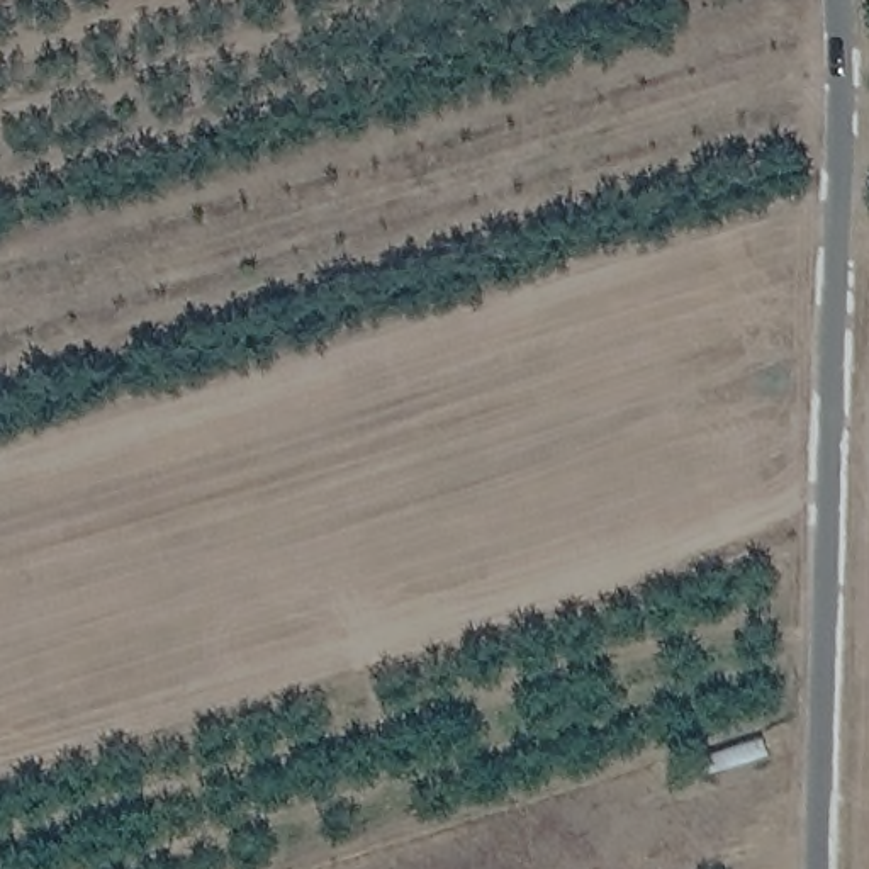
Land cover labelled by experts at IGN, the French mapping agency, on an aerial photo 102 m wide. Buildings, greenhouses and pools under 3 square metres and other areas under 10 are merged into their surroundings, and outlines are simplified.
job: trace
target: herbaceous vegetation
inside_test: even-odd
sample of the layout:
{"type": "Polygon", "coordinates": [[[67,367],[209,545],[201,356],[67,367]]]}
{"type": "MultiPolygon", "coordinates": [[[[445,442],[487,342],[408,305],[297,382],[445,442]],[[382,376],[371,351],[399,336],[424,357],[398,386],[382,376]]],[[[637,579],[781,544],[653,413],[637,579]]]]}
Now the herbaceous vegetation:
{"type": "Polygon", "coordinates": [[[852,41],[845,48],[855,48],[869,64],[869,0],[855,0],[852,41]]]}
{"type": "Polygon", "coordinates": [[[51,784],[51,774],[44,767],[37,760],[24,760],[14,774],[0,777],[0,794],[20,791],[27,777],[37,784],[51,784]]]}
{"type": "Polygon", "coordinates": [[[207,730],[231,726],[244,716],[261,716],[261,703],[200,713],[197,723],[207,730]]]}
{"type": "Polygon", "coordinates": [[[628,757],[611,757],[594,774],[550,777],[533,791],[506,791],[499,801],[462,805],[451,815],[431,821],[414,815],[411,784],[404,777],[377,774],[370,784],[339,781],[316,801],[292,798],[282,808],[244,801],[251,818],[238,821],[231,832],[217,821],[200,821],[177,838],[149,838],[149,855],[132,859],[129,852],[126,862],[115,862],[109,869],[180,869],[177,855],[190,852],[193,859],[204,859],[204,849],[227,845],[227,835],[265,838],[275,852],[261,869],[805,869],[818,526],[808,523],[805,513],[794,513],[788,523],[757,533],[750,543],[726,543],[720,553],[709,553],[679,574],[652,574],[642,584],[611,594],[608,604],[618,611],[642,604],[655,591],[682,591],[689,584],[703,584],[706,574],[723,570],[723,563],[740,560],[743,570],[764,570],[774,563],[777,587],[771,594],[771,604],[760,608],[760,618],[774,618],[781,628],[777,655],[737,659],[733,631],[747,625],[747,614],[737,608],[726,611],[720,621],[696,625],[696,642],[709,652],[709,662],[720,672],[696,686],[703,696],[743,692],[757,682],[777,689],[784,686],[777,713],[737,720],[709,733],[709,743],[720,743],[723,750],[760,743],[764,760],[733,771],[709,767],[692,784],[669,788],[669,750],[655,743],[628,757]],[[319,815],[336,801],[356,805],[356,825],[346,842],[329,842],[322,835],[319,815]]]}
{"type": "Polygon", "coordinates": [[[336,14],[373,20],[387,0],[316,0],[312,14],[316,24],[326,31],[333,27],[336,14]]]}
{"type": "Polygon", "coordinates": [[[207,64],[217,61],[221,48],[227,48],[244,58],[244,78],[255,78],[261,51],[268,51],[275,41],[299,41],[302,34],[299,7],[292,0],[289,0],[278,10],[275,24],[261,31],[241,20],[224,27],[221,34],[210,34],[207,41],[166,41],[160,51],[143,48],[136,54],[136,64],[129,64],[129,71],[112,81],[105,81],[95,71],[95,64],[78,61],[71,78],[48,75],[41,92],[7,88],[0,95],[0,200],[27,197],[37,187],[71,183],[75,170],[81,166],[122,163],[129,156],[139,156],[143,149],[177,153],[180,136],[190,132],[197,139],[217,139],[214,126],[224,122],[224,115],[214,112],[214,105],[207,102],[207,64]],[[190,98],[180,115],[156,119],[149,109],[149,88],[139,88],[139,78],[149,68],[166,64],[170,58],[190,64],[190,98]],[[58,88],[81,85],[95,88],[102,95],[102,105],[132,98],[136,115],[126,122],[132,139],[119,143],[119,149],[112,153],[75,156],[68,163],[61,146],[48,146],[41,153],[10,149],[3,136],[3,115],[44,109],[51,105],[58,88]]]}
{"type": "Polygon", "coordinates": [[[869,85],[862,81],[852,88],[852,204],[845,278],[855,282],[855,268],[869,265],[869,85]]]}
{"type": "Polygon", "coordinates": [[[17,390],[37,370],[48,373],[64,367],[92,367],[122,373],[132,353],[146,343],[177,343],[187,329],[231,322],[278,299],[316,295],[346,275],[384,275],[407,261],[441,258],[455,248],[479,251],[482,238],[489,234],[536,231],[550,221],[601,210],[628,217],[631,200],[638,193],[659,183],[686,187],[716,160],[764,160],[774,149],[808,149],[811,160],[808,190],[801,197],[777,197],[760,214],[737,214],[713,227],[669,231],[662,244],[635,241],[621,248],[601,248],[594,255],[570,258],[567,268],[540,275],[533,282],[513,289],[485,289],[479,306],[455,306],[448,312],[418,319],[387,316],[380,322],[360,322],[360,329],[343,326],[322,350],[285,350],[265,370],[258,367],[248,373],[221,373],[173,397],[119,394],[75,421],[61,421],[44,431],[24,431],[14,441],[0,445],[0,479],[105,462],[109,455],[136,441],[177,428],[193,428],[207,418],[241,414],[278,397],[295,397],[309,384],[343,380],[343,373],[353,373],[367,363],[414,356],[418,350],[428,350],[438,339],[455,336],[458,329],[499,326],[533,309],[547,309],[567,295],[587,295],[662,268],[672,268],[679,282],[699,285],[703,275],[713,275],[720,268],[716,255],[737,251],[743,248],[743,241],[754,241],[757,227],[784,248],[784,255],[808,251],[815,258],[825,248],[828,204],[828,20],[821,0],[686,0],[689,17],[686,27],[676,31],[669,54],[659,54],[652,48],[631,48],[618,54],[611,64],[594,64],[584,54],[574,54],[567,71],[550,75],[536,85],[519,85],[509,92],[509,98],[496,98],[489,92],[475,105],[462,102],[455,109],[424,112],[418,122],[407,126],[367,126],[360,136],[350,139],[312,139],[309,146],[278,156],[258,156],[251,170],[217,170],[210,177],[177,183],[173,190],[119,207],[78,204],[54,221],[24,221],[0,241],[0,390],[17,390]]]}
{"type": "Polygon", "coordinates": [[[7,852],[31,852],[41,842],[61,842],[78,828],[105,825],[122,815],[153,811],[163,805],[200,808],[197,794],[204,781],[200,767],[183,767],[180,774],[146,774],[143,784],[95,788],[92,794],[71,798],[68,805],[44,808],[37,815],[24,815],[0,825],[0,859],[7,852]]]}
{"type": "Polygon", "coordinates": [[[78,767],[85,757],[95,760],[98,750],[109,757],[115,750],[139,754],[143,747],[149,754],[160,754],[163,747],[177,747],[183,737],[166,733],[153,737],[149,743],[139,743],[129,733],[112,733],[95,750],[64,754],[71,767],[78,767]]]}
{"type": "Polygon", "coordinates": [[[75,0],[64,20],[44,20],[34,10],[27,24],[0,37],[0,68],[20,68],[20,54],[37,58],[44,48],[58,48],[61,41],[81,41],[88,27],[102,20],[119,24],[115,44],[126,48],[136,24],[153,24],[160,14],[180,14],[183,20],[190,20],[190,10],[200,0],[75,0]]]}
{"type": "Polygon", "coordinates": [[[574,682],[577,676],[601,679],[611,669],[631,706],[655,699],[662,709],[669,706],[682,713],[689,709],[689,699],[662,689],[662,672],[655,662],[659,642],[635,638],[625,645],[608,645],[608,655],[594,662],[570,662],[560,672],[523,682],[516,665],[506,665],[499,672],[499,682],[492,686],[462,679],[455,686],[455,699],[428,699],[404,716],[384,720],[384,706],[373,689],[377,679],[418,676],[424,665],[431,665],[438,676],[458,655],[468,655],[472,645],[509,642],[513,635],[540,628],[547,621],[543,614],[523,611],[509,625],[479,625],[468,628],[458,645],[428,645],[414,659],[384,659],[373,669],[336,672],[319,686],[326,689],[333,737],[295,743],[289,750],[289,760],[295,764],[322,750],[350,750],[363,740],[394,737],[397,730],[424,726],[431,720],[472,716],[479,709],[479,737],[485,750],[479,750],[479,760],[502,764],[530,750],[530,737],[523,737],[526,720],[513,706],[516,686],[523,692],[547,692],[557,682],[574,682]]]}

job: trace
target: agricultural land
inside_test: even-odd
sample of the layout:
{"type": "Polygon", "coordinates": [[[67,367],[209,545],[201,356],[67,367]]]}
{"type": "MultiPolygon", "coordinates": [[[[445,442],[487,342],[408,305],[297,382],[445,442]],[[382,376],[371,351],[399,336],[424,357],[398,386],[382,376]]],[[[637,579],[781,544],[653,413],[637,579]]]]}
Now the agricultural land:
{"type": "Polygon", "coordinates": [[[373,669],[384,659],[414,659],[428,645],[458,645],[468,628],[479,625],[509,625],[523,611],[543,614],[557,611],[563,601],[591,604],[601,594],[611,594],[642,584],[652,574],[679,574],[709,553],[720,553],[726,543],[750,543],[757,533],[788,523],[794,513],[805,513],[808,523],[818,526],[818,475],[808,472],[808,407],[811,377],[818,373],[825,289],[815,285],[815,258],[808,251],[784,255],[784,248],[757,227],[754,241],[743,241],[743,248],[737,251],[716,255],[720,268],[713,275],[703,275],[699,285],[679,282],[672,268],[662,268],[587,295],[567,295],[547,309],[533,309],[499,326],[458,329],[455,336],[438,339],[428,350],[418,350],[414,356],[367,363],[353,373],[343,373],[343,380],[309,384],[295,397],[278,397],[241,414],[207,418],[193,428],[177,428],[136,441],[109,455],[105,462],[0,479],[0,777],[14,774],[24,760],[37,760],[44,767],[51,767],[64,754],[95,750],[112,733],[129,733],[139,743],[149,743],[153,737],[166,733],[183,737],[197,723],[200,713],[261,703],[285,689],[319,686],[336,672],[373,669]]]}
{"type": "Polygon", "coordinates": [[[838,869],[869,869],[869,265],[855,268],[855,282],[845,278],[845,333],[855,333],[855,367],[852,401],[842,404],[842,428],[852,435],[852,448],[838,869]]]}

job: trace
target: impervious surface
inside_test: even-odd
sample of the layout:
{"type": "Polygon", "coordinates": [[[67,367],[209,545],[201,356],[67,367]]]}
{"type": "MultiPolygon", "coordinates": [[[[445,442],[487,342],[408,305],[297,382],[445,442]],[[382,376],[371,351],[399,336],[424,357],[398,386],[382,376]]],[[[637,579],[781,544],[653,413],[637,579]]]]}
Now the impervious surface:
{"type": "Polygon", "coordinates": [[[818,475],[818,526],[805,869],[828,869],[842,428],[842,404],[845,333],[845,278],[852,204],[852,88],[862,81],[869,85],[869,64],[855,48],[845,48],[852,41],[855,0],[821,0],[828,20],[828,204],[825,248],[815,258],[815,285],[825,289],[818,373],[818,475]]]}

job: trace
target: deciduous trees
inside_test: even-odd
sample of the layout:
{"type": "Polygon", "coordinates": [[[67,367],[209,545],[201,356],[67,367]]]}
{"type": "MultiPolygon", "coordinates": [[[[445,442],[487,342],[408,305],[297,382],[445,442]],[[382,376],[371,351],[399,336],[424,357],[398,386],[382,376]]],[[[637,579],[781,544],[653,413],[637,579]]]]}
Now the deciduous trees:
{"type": "Polygon", "coordinates": [[[214,126],[217,139],[197,139],[190,132],[180,136],[177,153],[143,149],[139,156],[129,156],[122,163],[81,166],[75,170],[71,183],[37,187],[27,197],[0,200],[0,241],[24,221],[54,221],[78,204],[119,207],[173,190],[177,183],[210,177],[217,170],[251,170],[258,156],[278,156],[309,146],[312,139],[350,139],[360,136],[367,126],[407,126],[418,122],[424,112],[455,109],[462,102],[475,105],[489,92],[496,98],[509,98],[509,92],[519,85],[536,85],[550,75],[567,71],[574,54],[584,54],[594,64],[611,64],[618,54],[631,48],[652,48],[659,54],[669,54],[676,31],[686,27],[689,17],[686,0],[387,0],[373,20],[336,14],[333,27],[326,31],[316,24],[312,14],[316,0],[292,0],[299,7],[302,34],[299,41],[275,41],[268,51],[261,51],[255,78],[244,78],[244,58],[227,48],[221,48],[217,61],[207,64],[207,102],[214,105],[214,112],[224,115],[224,122],[214,126]]]}
{"type": "Polygon", "coordinates": [[[44,20],[64,20],[75,0],[0,0],[0,37],[27,24],[34,10],[44,20]]]}
{"type": "Polygon", "coordinates": [[[659,183],[638,193],[631,200],[628,217],[601,210],[550,221],[536,231],[489,234],[482,238],[479,251],[455,248],[441,258],[407,261],[384,275],[346,275],[316,295],[278,299],[231,322],[187,329],[177,343],[146,343],[132,353],[122,373],[92,367],[64,367],[48,373],[37,370],[17,390],[0,390],[0,445],[14,441],[24,431],[44,431],[61,421],[75,421],[119,394],[173,397],[221,373],[248,373],[258,367],[265,370],[285,350],[322,350],[343,326],[360,329],[360,322],[380,322],[387,316],[418,319],[448,312],[455,306],[479,306],[485,289],[513,289],[533,282],[540,275],[567,268],[570,258],[594,255],[601,248],[621,248],[635,241],[662,244],[669,231],[713,227],[737,214],[760,214],[777,197],[801,197],[808,190],[811,160],[808,149],[774,149],[764,160],[716,160],[686,187],[659,183]]]}
{"type": "Polygon", "coordinates": [[[190,852],[177,855],[180,869],[261,869],[275,852],[265,838],[227,835],[227,845],[204,849],[204,859],[193,859],[190,852]]]}
{"type": "Polygon", "coordinates": [[[523,692],[516,686],[513,706],[526,720],[523,737],[530,737],[530,750],[502,764],[479,760],[479,750],[485,750],[479,737],[479,709],[472,716],[431,720],[424,726],[397,730],[394,737],[363,740],[350,750],[322,750],[295,764],[289,760],[289,750],[295,743],[333,737],[326,689],[319,686],[285,689],[261,703],[261,716],[244,716],[231,726],[207,730],[197,723],[183,737],[177,747],[163,747],[160,754],[149,754],[143,747],[139,754],[115,750],[109,757],[98,750],[95,760],[85,757],[78,767],[71,767],[64,754],[51,767],[44,767],[51,774],[51,784],[37,784],[27,777],[20,791],[0,794],[0,825],[24,815],[37,815],[44,808],[68,805],[71,798],[92,794],[95,788],[143,784],[146,774],[180,774],[183,767],[200,767],[204,781],[197,794],[200,808],[163,805],[153,811],[122,815],[105,825],[78,828],[61,842],[41,842],[31,852],[7,852],[0,859],[0,869],[109,869],[115,862],[126,862],[129,852],[132,859],[149,855],[149,838],[177,838],[200,821],[217,821],[231,832],[238,821],[251,818],[244,801],[282,808],[292,798],[316,801],[339,781],[370,784],[377,774],[404,777],[411,784],[414,815],[431,821],[451,815],[462,805],[499,801],[506,791],[533,791],[550,777],[594,774],[611,757],[628,757],[655,743],[669,750],[669,788],[692,784],[709,767],[713,757],[723,750],[720,743],[709,743],[709,733],[737,720],[777,713],[784,686],[777,689],[757,682],[743,692],[703,696],[696,686],[720,672],[709,662],[709,652],[696,642],[696,625],[720,621],[726,611],[737,608],[747,614],[747,625],[733,631],[737,659],[777,655],[781,628],[774,618],[760,618],[760,608],[771,604],[771,594],[777,587],[774,563],[764,570],[743,570],[740,560],[723,563],[723,570],[706,574],[703,584],[689,584],[682,591],[655,591],[642,604],[618,611],[608,604],[611,594],[601,594],[591,604],[563,601],[557,611],[543,614],[547,621],[540,628],[513,635],[509,642],[472,645],[468,655],[458,655],[438,676],[431,665],[424,665],[418,676],[377,679],[373,689],[384,706],[384,720],[404,716],[428,699],[455,699],[455,686],[462,679],[492,686],[499,682],[499,672],[506,665],[516,665],[523,682],[560,672],[570,662],[594,662],[608,655],[608,645],[625,645],[635,638],[659,642],[655,662],[662,672],[662,689],[689,699],[689,709],[682,713],[669,706],[662,709],[655,699],[631,706],[611,669],[601,679],[577,676],[574,682],[557,682],[547,692],[523,692]]]}
{"type": "Polygon", "coordinates": [[[58,88],[51,105],[44,109],[3,115],[3,136],[10,149],[41,153],[48,146],[61,146],[68,163],[75,156],[112,153],[119,149],[119,143],[132,139],[126,122],[136,115],[132,98],[102,105],[102,95],[95,88],[81,85],[58,88]]]}
{"type": "Polygon", "coordinates": [[[139,78],[139,88],[149,88],[149,109],[156,119],[180,115],[190,98],[190,64],[170,58],[166,64],[149,68],[139,78]]]}
{"type": "Polygon", "coordinates": [[[180,14],[160,14],[153,24],[136,24],[126,48],[115,44],[119,24],[102,20],[88,27],[81,41],[61,41],[58,48],[44,48],[37,58],[20,54],[20,68],[0,68],[0,95],[7,88],[41,92],[48,75],[71,78],[78,61],[95,64],[95,71],[105,81],[112,81],[129,71],[129,64],[136,64],[136,54],[143,48],[160,51],[166,41],[207,41],[210,34],[221,34],[224,27],[241,20],[261,31],[275,24],[278,10],[289,0],[200,0],[190,10],[190,20],[183,20],[180,14]]]}
{"type": "Polygon", "coordinates": [[[336,801],[319,815],[322,835],[329,842],[346,842],[356,825],[356,805],[336,801]]]}

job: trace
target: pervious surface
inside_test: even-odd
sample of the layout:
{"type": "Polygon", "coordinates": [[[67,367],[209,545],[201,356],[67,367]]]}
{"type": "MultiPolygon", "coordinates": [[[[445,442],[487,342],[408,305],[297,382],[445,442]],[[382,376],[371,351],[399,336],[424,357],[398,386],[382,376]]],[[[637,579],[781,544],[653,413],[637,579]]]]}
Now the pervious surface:
{"type": "Polygon", "coordinates": [[[818,373],[811,377],[808,407],[808,472],[818,475],[818,373]]]}
{"type": "Polygon", "coordinates": [[[852,435],[842,428],[828,869],[838,869],[852,448],[852,435]]]}
{"type": "Polygon", "coordinates": [[[845,333],[842,404],[852,401],[855,367],[855,333],[845,333]]]}

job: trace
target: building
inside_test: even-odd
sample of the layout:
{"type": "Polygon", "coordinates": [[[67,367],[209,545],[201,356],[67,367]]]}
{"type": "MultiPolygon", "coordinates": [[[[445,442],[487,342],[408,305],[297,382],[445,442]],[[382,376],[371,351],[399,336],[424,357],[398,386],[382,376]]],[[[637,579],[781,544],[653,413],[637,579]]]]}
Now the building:
{"type": "Polygon", "coordinates": [[[723,750],[713,757],[709,767],[733,771],[764,760],[760,743],[723,750]]]}

